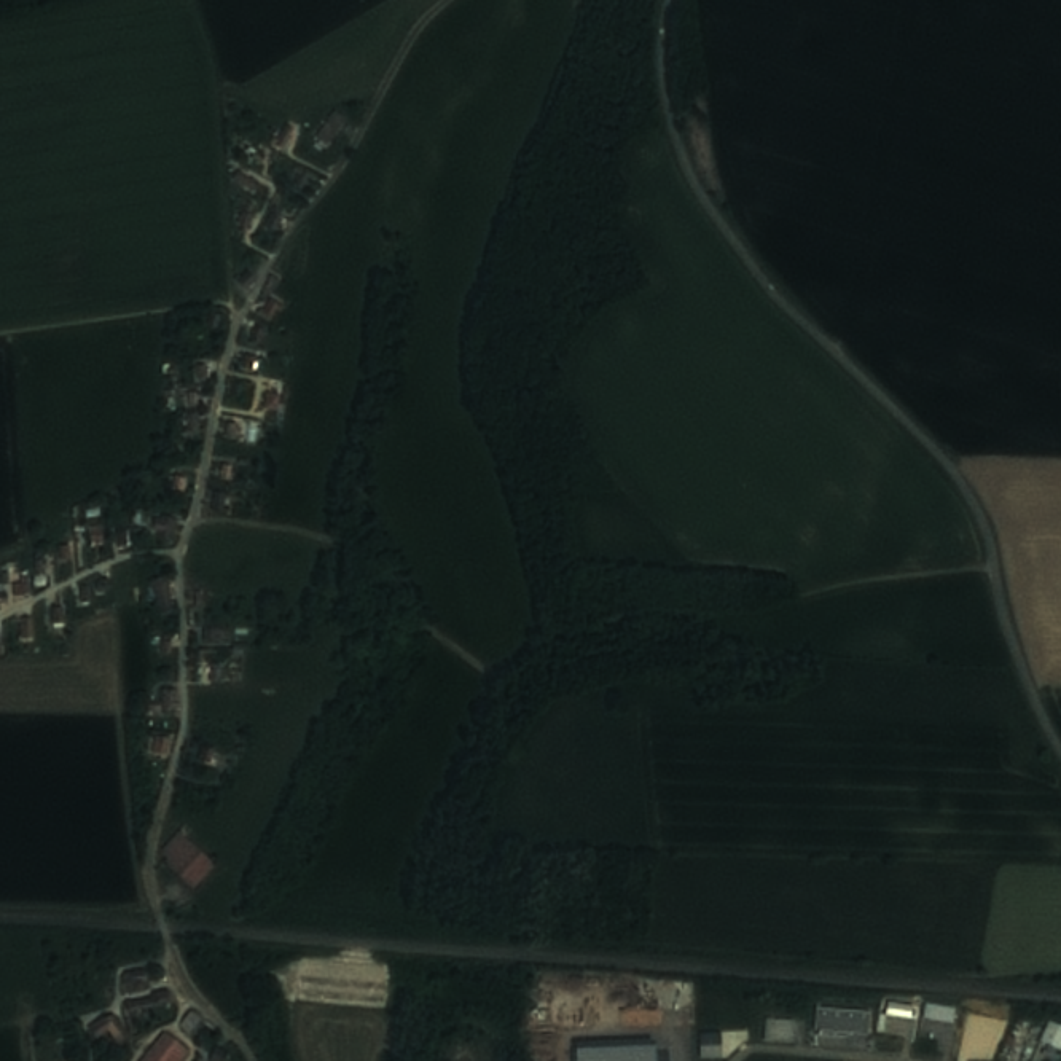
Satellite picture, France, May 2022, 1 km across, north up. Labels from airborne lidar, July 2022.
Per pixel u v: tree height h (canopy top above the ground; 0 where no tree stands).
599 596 13
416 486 0
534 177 14
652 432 0
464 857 15
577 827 0
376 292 20
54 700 0
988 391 0
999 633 0
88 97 0
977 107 0
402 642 22
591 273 18
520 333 20
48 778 0
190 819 0
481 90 0
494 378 18
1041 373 0
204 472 0
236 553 0
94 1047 8
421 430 0
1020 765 0
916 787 0
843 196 0
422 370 0
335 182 0
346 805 0
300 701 0
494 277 19
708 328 0
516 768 0
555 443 20
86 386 0
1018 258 0
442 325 0
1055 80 0
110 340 0
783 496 0
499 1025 6
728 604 23
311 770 15
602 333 0
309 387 0
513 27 0
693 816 0
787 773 0
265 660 0
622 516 0
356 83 0
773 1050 0
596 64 12
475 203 0
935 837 0
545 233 16
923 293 0
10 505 0
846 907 0
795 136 0
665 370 0
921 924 0
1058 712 0
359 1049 0
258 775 0
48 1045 0
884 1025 0
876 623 0
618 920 15
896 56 0
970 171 0
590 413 0
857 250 0
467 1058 0
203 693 0
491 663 0
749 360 0
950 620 0
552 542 18
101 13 0
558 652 14
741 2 0
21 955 0
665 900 0
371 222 0
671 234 0
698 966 0
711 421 0
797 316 0
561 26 0
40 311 0
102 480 0
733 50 0
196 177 0
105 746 0
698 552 0
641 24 13
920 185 0
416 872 25
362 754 7
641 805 0
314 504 0
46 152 0
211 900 0
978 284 0
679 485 0
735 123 0
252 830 0
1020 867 0
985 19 0
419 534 0
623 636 19
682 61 18
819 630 0
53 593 0
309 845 6
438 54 0
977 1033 0
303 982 0
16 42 0
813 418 0
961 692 0
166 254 0
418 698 0
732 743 0
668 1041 0
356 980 0
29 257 0
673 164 0
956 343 0
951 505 0
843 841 0
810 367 0
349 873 0
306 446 0
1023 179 0
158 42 0
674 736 0
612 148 15
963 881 0
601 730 0
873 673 0
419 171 0
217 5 0
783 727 0
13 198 0
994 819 0
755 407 0
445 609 0
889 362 0
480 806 14
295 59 0
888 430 0
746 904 0
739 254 0
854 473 0
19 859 0
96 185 0
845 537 0
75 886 0
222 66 0
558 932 17
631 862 17
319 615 21
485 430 21
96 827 0
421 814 0
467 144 0
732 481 0
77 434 0
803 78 0
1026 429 0
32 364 0
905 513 0
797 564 0
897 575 0
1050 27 0
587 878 18
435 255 0
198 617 10
